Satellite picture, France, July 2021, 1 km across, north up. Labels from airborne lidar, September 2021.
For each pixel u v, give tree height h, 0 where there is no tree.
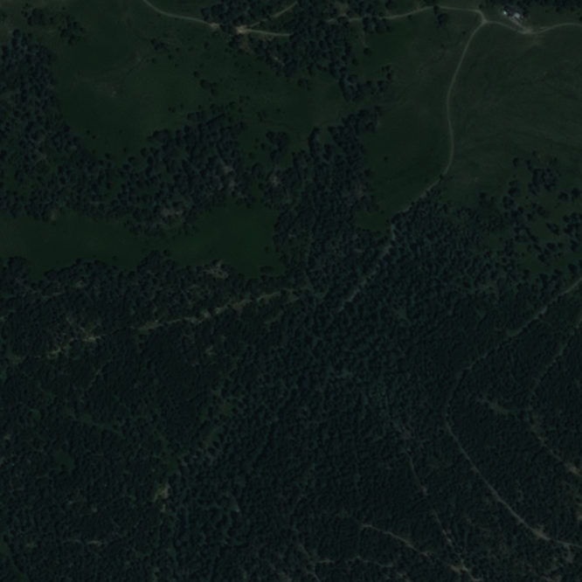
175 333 19
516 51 0
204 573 26
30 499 27
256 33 0
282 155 24
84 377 15
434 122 0
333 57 29
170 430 21
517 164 14
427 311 14
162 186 22
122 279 26
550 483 11
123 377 16
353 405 12
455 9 0
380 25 30
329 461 13
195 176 27
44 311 22
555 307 8
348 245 18
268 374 8
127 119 0
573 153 0
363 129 15
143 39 0
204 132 29
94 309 18
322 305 16
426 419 11
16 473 24
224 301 9
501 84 0
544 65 0
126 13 0
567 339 12
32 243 0
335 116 0
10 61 19
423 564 8
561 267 0
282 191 19
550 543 10
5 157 25
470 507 14
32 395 19
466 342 12
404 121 0
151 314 15
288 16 6
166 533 20
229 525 26
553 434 17
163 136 25
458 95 0
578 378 15
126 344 18
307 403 26
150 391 22
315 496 16
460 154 0
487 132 0
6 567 23
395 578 27
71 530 17
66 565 24
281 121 0
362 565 24
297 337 13
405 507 15
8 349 33
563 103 0
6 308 16
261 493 34
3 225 0
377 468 19
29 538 26
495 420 19
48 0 0
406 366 21
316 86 0
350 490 20
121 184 0
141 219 18
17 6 0
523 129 0
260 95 0
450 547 8
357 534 18
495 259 10
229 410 0
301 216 19
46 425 13
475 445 15
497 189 0
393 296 28
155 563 18
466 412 14
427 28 0
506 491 11
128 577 28
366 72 0
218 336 23
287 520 17
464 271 20
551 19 0
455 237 19
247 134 0
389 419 12
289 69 20
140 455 20
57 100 21
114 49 0
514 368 13
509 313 13
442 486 16
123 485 17
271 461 25
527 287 11
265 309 11
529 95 0
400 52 0
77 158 9
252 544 21
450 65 0
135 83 0
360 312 13
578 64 0
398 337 11
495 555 18
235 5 25
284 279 18
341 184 9
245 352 7
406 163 0
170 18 0
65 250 0
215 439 0
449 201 7
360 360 29
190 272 24
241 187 21
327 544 16
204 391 14
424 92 0
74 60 0
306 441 31
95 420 17
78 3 0
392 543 12
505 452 9
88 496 17
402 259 10
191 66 0
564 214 0
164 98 0
